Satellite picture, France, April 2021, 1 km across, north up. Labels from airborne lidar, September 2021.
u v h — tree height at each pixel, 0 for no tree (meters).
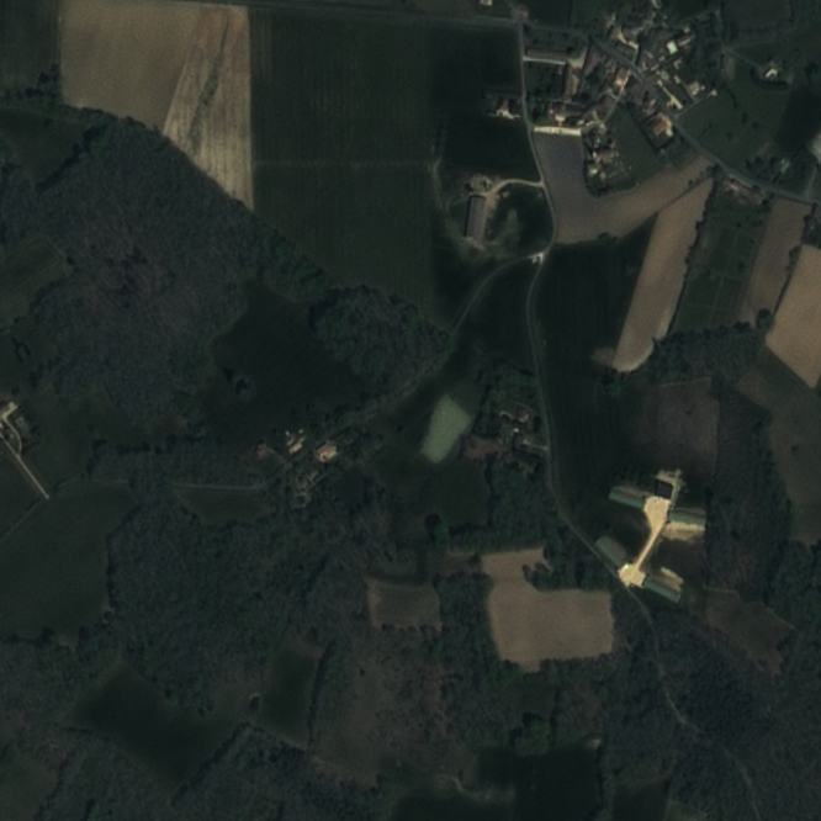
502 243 0
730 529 13
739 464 6
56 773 8
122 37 0
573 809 0
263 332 0
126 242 16
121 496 0
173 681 11
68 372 15
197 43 0
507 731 22
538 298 0
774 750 15
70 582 0
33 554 0
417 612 0
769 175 13
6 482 0
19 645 16
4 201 18
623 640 19
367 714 0
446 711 13
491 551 23
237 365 0
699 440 0
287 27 0
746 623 0
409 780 0
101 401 0
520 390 7
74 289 16
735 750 17
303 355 0
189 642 15
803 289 0
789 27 14
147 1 0
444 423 0
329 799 21
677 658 16
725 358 21
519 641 0
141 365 21
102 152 22
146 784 17
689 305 0
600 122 0
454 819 0
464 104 0
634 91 0
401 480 0
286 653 0
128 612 22
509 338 0
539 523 20
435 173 0
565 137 0
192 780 0
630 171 0
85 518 0
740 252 0
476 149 0
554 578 7
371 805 21
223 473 17
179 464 14
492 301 0
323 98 0
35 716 17
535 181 0
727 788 24
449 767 0
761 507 7
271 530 19
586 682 25
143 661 17
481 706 17
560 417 0
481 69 0
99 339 19
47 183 0
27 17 0
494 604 0
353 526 12
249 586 16
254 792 18
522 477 22
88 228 15
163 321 16
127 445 0
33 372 0
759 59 0
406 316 20
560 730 22
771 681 16
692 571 0
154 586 17
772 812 16
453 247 0
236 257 22
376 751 0
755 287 0
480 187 0
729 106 0
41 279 0
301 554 6
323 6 0
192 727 0
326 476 7
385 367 21
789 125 0
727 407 6
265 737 11
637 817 0
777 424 0
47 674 24
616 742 18
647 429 0
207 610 21
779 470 6
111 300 17
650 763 20
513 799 0
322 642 16
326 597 18
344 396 0
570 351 0
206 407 0
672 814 0
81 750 14
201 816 18
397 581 0
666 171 0
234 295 19
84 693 11
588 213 0
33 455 0
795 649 19
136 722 0
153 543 16
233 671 15
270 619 15
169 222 17
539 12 0
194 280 17
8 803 0
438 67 0
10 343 0
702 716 14
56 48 0
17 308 0
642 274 0
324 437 11
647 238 0
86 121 12
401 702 6
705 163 0
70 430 0
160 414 11
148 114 0
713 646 15
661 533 0
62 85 14
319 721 17
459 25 0
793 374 0
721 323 0
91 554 0
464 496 0
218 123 0
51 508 0
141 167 20
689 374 25
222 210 21
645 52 16
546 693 0
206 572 18
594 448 0
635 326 0
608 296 0
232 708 0
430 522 0
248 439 0
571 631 0
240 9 0
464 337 0
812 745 17
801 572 24
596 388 0
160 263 16
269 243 21
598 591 18
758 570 8
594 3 0
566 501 0
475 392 0
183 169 21
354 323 19
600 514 0
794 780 17
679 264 0
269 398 0
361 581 17
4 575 0
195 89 0
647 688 14
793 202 0
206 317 17
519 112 14
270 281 21
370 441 13
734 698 14
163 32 0
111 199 19
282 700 0
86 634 0
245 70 0
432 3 0
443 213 0
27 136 0
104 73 0
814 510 0
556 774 0
